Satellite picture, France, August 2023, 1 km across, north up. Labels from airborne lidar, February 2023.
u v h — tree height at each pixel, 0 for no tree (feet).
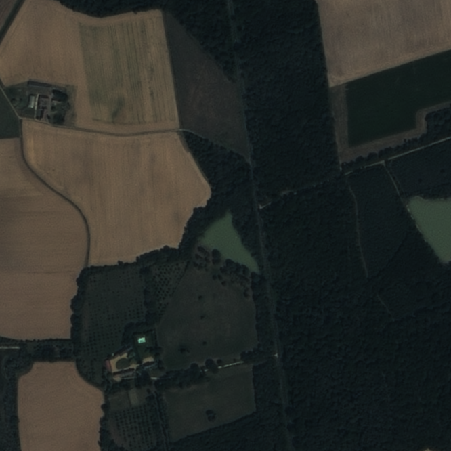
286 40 64
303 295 50
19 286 0
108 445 50
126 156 0
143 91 0
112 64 0
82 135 0
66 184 0
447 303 46
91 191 0
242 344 0
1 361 0
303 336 79
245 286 57
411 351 71
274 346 67
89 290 0
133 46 0
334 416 58
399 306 29
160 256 53
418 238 41
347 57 0
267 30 56
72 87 0
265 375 64
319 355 58
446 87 0
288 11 53
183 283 0
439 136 43
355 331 63
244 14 57
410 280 36
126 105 0
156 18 0
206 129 0
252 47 60
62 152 0
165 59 0
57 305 0
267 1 53
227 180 61
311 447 66
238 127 0
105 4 62
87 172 0
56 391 0
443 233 0
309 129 34
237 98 0
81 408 0
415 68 0
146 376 56
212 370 60
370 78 0
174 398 0
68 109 0
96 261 0
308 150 57
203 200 0
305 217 49
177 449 27
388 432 61
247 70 55
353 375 56
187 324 0
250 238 66
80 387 0
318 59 55
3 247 0
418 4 0
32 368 0
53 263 0
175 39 0
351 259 44
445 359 80
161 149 0
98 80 0
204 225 63
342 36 0
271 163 80
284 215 66
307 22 56
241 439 50
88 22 0
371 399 62
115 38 0
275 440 72
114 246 0
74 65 0
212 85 0
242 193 65
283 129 56
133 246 0
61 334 0
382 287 32
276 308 0
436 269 37
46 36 0
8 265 0
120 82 0
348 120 0
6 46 0
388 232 23
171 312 0
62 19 0
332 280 47
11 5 0
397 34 0
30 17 0
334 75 0
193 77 0
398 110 0
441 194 31
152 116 0
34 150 0
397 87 0
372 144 0
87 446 0
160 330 0
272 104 54
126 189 0
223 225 0
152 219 0
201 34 20
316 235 67
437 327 77
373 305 58
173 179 0
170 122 0
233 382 0
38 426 0
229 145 0
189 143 44
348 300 58
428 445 47
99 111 0
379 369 66
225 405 0
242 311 0
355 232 36
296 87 51
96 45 0
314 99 56
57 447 0
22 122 0
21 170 0
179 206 0
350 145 0
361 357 66
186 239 49
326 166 43
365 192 32
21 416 0
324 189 48
